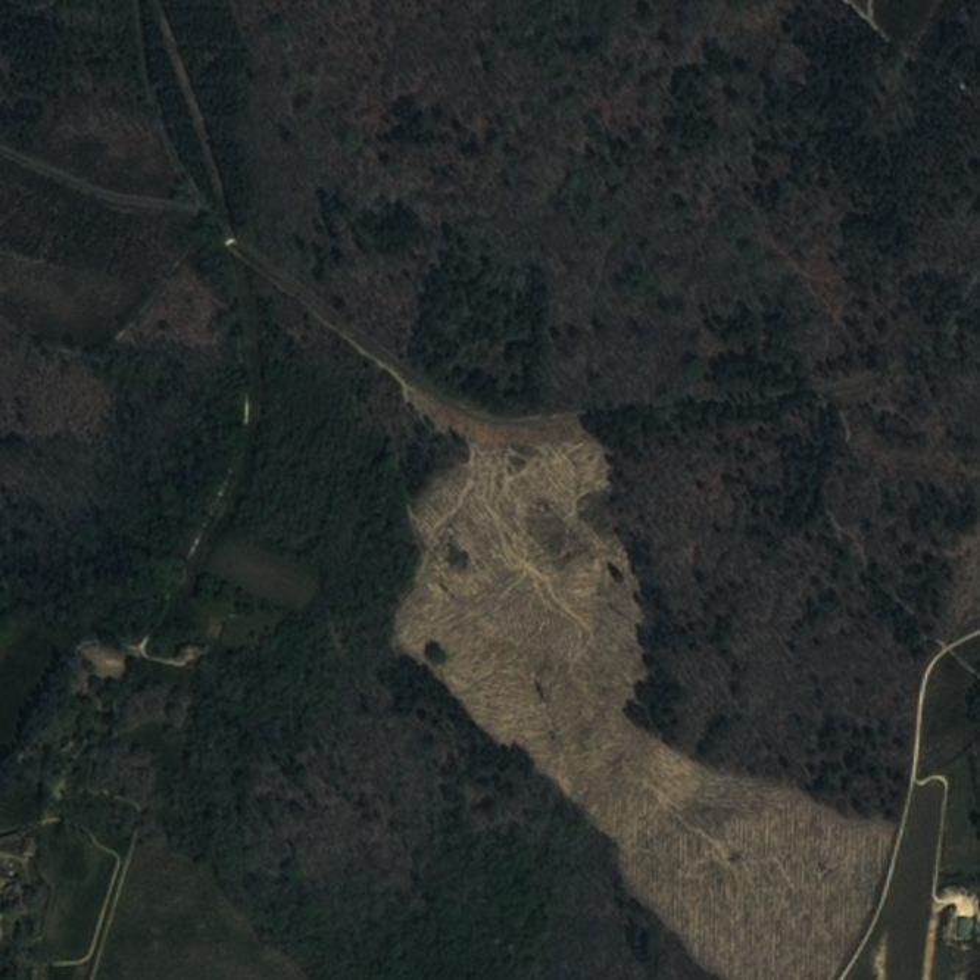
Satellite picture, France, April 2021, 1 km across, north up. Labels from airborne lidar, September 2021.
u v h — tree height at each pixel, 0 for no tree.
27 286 0
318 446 10
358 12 18
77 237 6
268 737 20
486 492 0
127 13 10
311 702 19
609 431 17
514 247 18
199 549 13
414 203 10
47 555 18
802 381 14
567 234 14
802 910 0
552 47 16
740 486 14
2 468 13
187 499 21
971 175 6
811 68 8
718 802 0
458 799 20
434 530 0
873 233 18
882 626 13
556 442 0
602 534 0
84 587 18
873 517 11
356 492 7
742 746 12
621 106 7
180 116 17
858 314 7
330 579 18
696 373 19
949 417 14
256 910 21
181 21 17
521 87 15
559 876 19
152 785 11
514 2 16
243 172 16
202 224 15
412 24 8
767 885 0
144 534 22
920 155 19
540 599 0
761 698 11
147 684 11
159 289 16
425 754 19
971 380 17
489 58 25
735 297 10
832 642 9
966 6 8
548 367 12
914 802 0
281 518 10
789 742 8
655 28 13
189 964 0
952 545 10
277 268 15
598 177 18
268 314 13
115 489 22
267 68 10
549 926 20
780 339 25
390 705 11
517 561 0
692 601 12
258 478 14
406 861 19
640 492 8
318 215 11
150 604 27
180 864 0
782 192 19
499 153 17
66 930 0
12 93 20
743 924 0
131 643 22
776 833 0
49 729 16
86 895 0
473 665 0
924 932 0
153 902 0
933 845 0
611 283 9
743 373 21
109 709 7
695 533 10
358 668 20
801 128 21
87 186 0
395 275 10
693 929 0
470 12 12
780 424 19
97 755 13
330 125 16
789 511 11
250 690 19
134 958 0
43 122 11
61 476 16
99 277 0
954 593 11
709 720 9
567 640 0
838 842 0
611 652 0
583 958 15
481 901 22
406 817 12
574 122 23
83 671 13
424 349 12
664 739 16
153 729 0
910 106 9
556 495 0
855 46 14
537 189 18
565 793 12
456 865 23
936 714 0
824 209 15
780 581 9
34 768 17
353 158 9
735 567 9
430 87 11
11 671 0
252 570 0
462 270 14
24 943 16
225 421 19
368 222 12
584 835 24
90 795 8
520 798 16
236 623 0
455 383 9
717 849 0
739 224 20
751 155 10
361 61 8
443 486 0
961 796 0
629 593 0
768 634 10
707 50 17
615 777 0
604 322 14
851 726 9
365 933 19
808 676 11
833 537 13
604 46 20
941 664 0
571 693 0
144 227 6
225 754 19
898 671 8
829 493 7
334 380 10
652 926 11
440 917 25
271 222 18
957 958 0
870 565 6
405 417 16
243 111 15
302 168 11
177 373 20
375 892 20
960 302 13
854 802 6
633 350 16
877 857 0
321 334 8
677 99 13
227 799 25
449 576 0
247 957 0
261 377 6
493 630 0
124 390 20
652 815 0
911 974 0
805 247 13
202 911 0
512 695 0
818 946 0
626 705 0
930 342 9
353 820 7
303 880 18
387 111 9
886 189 15
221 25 18
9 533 26
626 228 13
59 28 8
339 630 25
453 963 23
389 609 19
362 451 10
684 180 7
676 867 0
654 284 18
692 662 12
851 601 14
